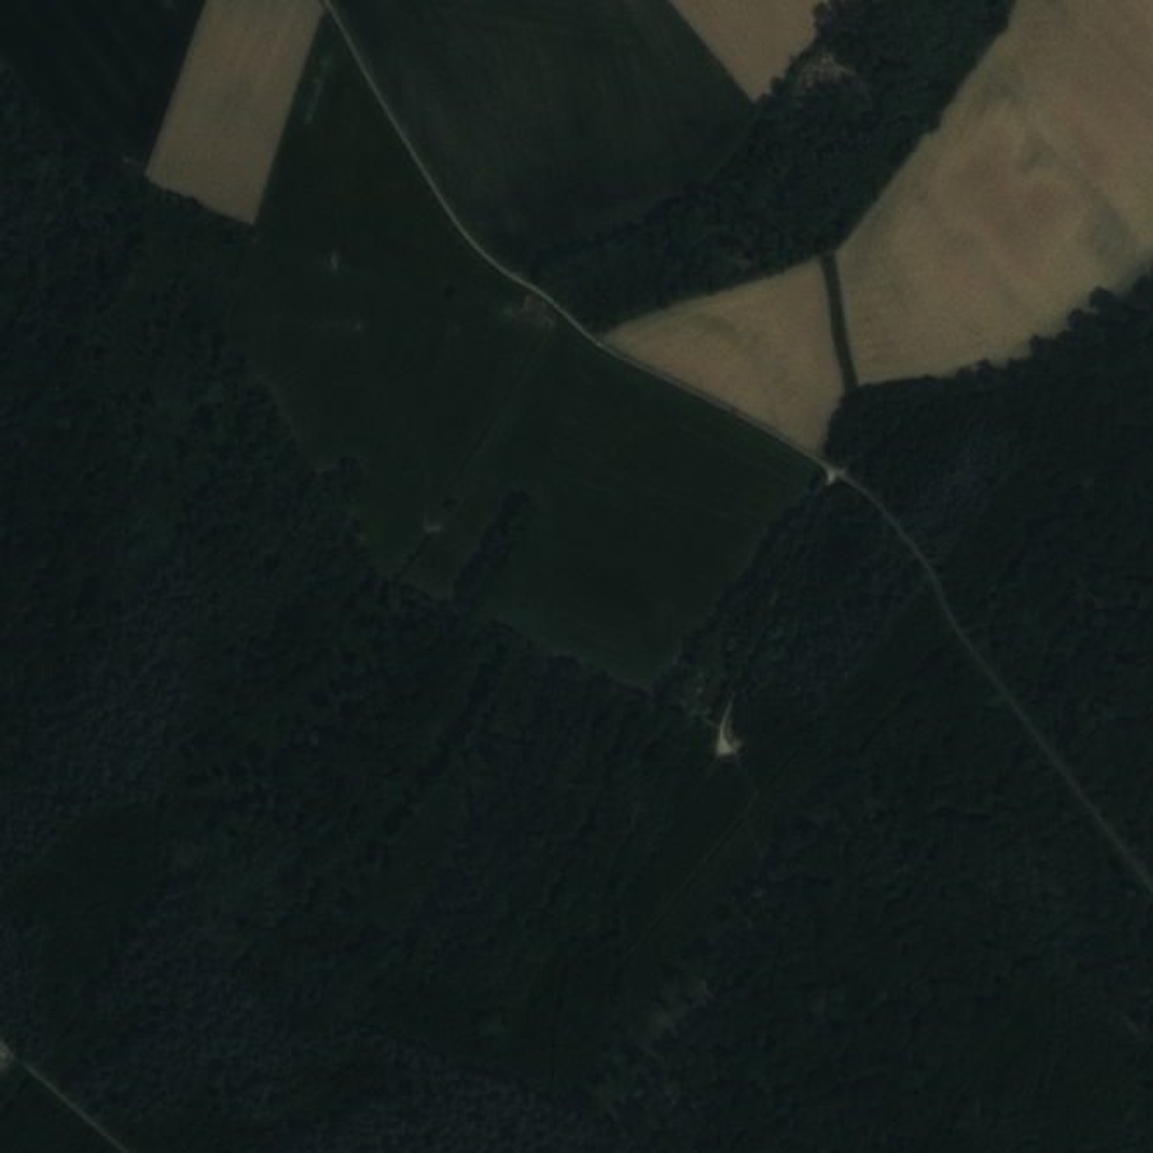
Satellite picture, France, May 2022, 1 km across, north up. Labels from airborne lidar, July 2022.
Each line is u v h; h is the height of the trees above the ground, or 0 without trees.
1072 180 0
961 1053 25
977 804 28
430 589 0
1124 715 19
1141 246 0
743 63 0
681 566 0
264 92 0
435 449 0
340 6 0
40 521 21
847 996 29
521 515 21
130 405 20
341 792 34
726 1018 23
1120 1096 8
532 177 0
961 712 24
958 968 29
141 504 24
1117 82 0
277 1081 26
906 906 26
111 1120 8
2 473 28
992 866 26
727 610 15
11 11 0
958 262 0
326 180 0
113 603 11
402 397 0
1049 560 21
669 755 14
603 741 29
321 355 0
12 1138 8
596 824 26
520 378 0
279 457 22
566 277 20
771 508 0
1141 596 31
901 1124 31
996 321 0
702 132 0
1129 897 28
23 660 23
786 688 23
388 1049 27
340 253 0
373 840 6
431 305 0
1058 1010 11
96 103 0
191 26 0
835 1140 24
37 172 29
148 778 32
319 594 29
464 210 0
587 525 0
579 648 0
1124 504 21
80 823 10
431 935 30
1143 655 27
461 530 0
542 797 28
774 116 28
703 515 0
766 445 0
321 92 0
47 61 0
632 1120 29
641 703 22
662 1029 0
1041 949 17
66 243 30
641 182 0
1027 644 20
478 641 15
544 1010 9
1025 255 0
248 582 28
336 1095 9
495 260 0
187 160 0
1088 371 25
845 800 28
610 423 0
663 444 0
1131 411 30
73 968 8
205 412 7
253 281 0
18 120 19
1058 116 0
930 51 18
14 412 28
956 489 26
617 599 0
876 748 22
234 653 23
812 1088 31
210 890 22
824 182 26
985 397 20
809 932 25
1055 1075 7
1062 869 13
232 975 29
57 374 30
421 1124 37
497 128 0
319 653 27
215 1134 8
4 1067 0
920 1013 27
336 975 25
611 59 0
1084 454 24
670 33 0
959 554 15
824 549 27
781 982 26
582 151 0
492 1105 35
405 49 0
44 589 30
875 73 31
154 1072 27
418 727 22
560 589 0
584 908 24
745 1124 28
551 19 0
